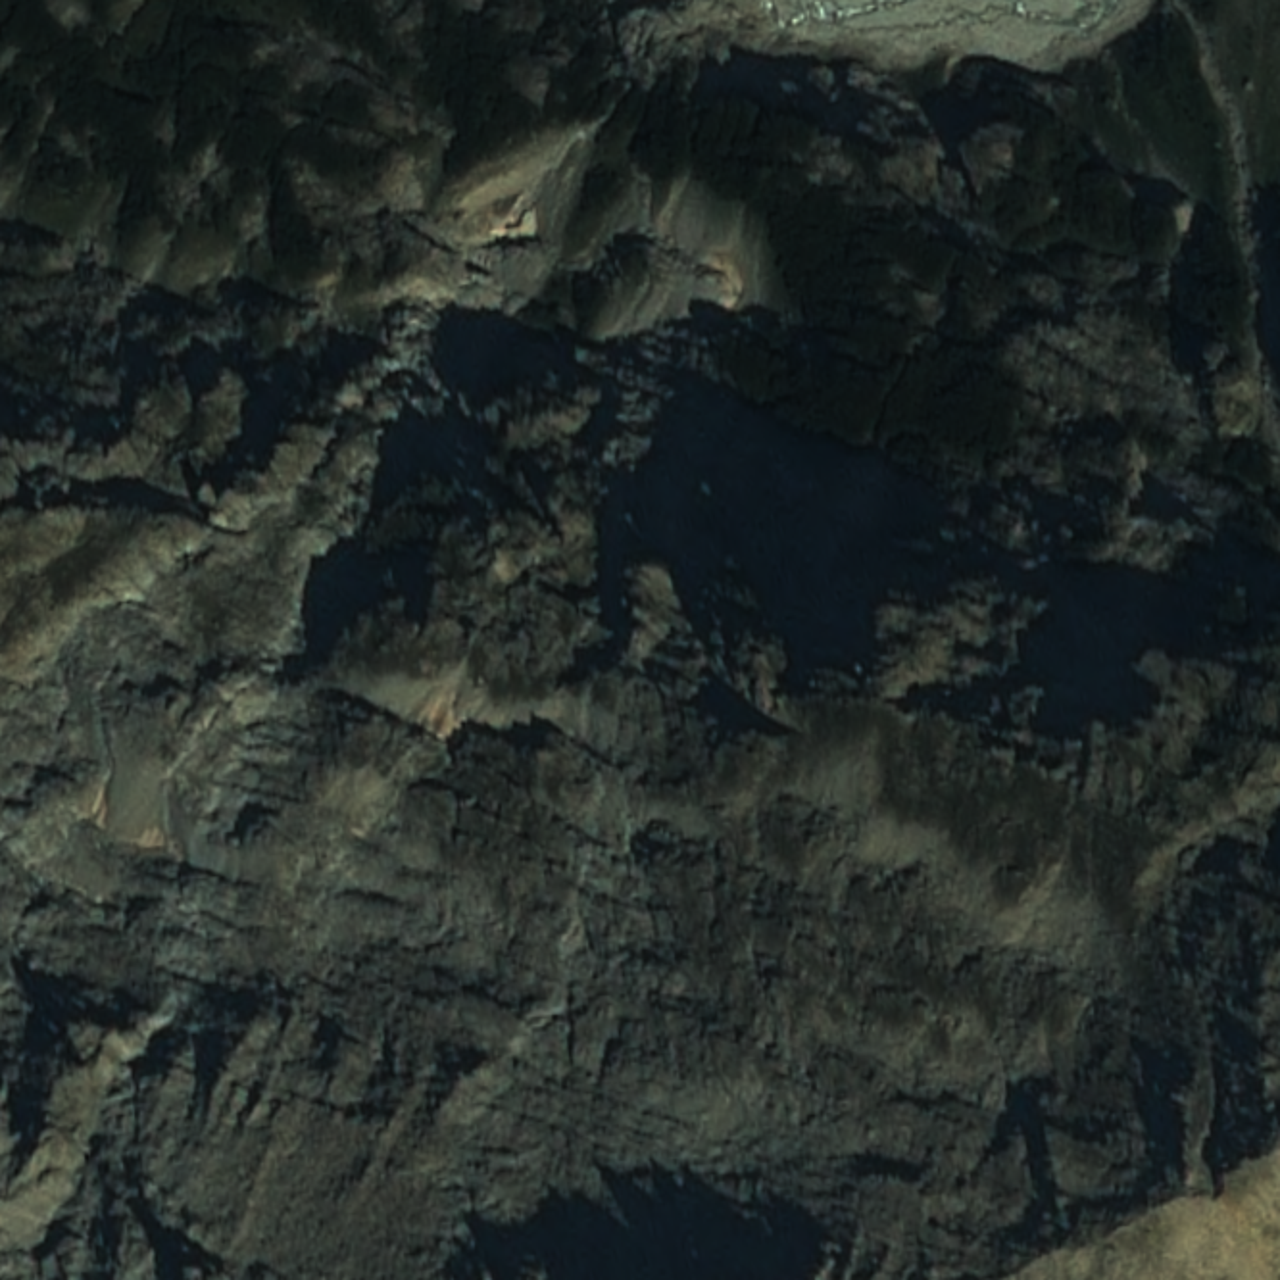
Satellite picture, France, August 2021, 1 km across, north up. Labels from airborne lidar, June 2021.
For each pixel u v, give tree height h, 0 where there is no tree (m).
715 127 5
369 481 0
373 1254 0
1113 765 0
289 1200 0
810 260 5
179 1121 0
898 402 6
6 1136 0
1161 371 0
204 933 0
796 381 7
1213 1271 0
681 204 0
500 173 0
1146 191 0
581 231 0
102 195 0
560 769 0
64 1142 0
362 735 0
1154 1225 0
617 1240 0
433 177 0
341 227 0
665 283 0
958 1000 0
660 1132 0
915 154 0
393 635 0
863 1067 0
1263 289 0
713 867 0
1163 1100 0
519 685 0
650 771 0
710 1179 0
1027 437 0
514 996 0
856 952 0
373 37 6
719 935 0
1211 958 0
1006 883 0
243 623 0
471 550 0
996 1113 0
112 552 0
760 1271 0
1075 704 0
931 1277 0
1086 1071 0
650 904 0
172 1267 0
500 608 0
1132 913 0
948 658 0
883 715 0
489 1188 0
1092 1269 0
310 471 0
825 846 0
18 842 0
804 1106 0
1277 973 0
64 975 0
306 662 0
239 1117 0
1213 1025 0
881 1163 0
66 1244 0
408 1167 0
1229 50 0
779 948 0
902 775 0
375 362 0
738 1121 0
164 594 0
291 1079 0
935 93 0
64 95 6
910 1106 0
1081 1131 0
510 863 0
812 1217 0
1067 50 0
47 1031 0
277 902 0
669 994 0
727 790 0
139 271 0
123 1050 0
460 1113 0
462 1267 0
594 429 0
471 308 0
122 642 0
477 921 0
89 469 0
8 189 0
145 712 0
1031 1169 0
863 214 7
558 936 0
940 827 0
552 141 0
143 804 0
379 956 0
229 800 0
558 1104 0
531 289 0
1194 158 0
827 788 0
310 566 0
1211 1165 0
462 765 0
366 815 0
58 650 0
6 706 0
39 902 0
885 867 0
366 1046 0
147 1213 0
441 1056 0
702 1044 0
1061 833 0
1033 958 0
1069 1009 0
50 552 0
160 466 0
